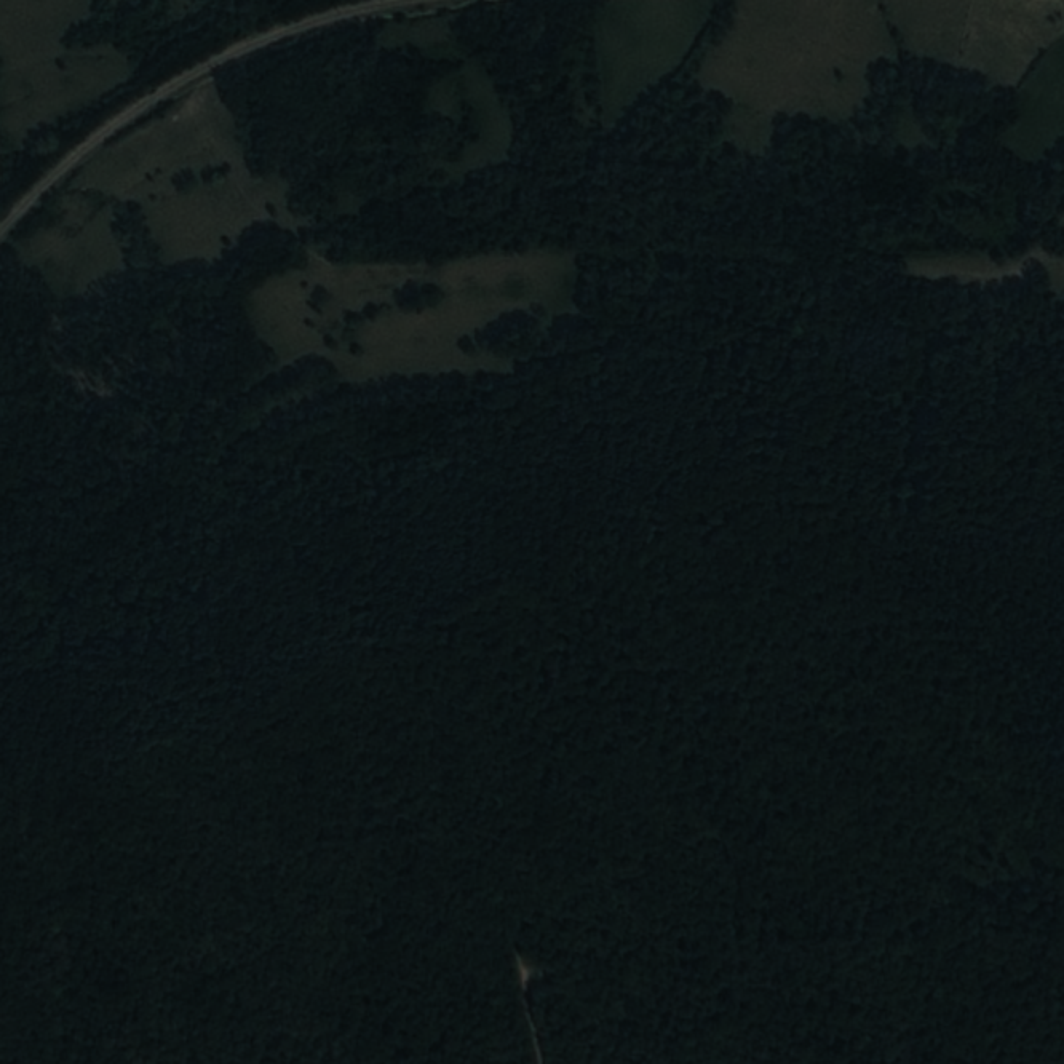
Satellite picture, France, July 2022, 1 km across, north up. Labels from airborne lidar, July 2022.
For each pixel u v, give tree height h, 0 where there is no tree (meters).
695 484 27
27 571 31
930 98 21
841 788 20
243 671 28
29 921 20
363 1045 23
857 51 0
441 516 20
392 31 0
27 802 20
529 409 23
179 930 17
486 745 18
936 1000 18
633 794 19
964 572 24
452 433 23
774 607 24
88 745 26
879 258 19
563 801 22
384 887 18
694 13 0
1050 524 18
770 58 0
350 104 17
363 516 24
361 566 23
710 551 24
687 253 22
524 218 11
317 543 32
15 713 23
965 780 16
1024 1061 19
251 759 19
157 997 19
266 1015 16
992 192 18
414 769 18
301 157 20
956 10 0
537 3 19
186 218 0
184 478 29
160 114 9
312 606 27
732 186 22
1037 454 24
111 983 25
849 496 23
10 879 21
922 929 25
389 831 24
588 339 22
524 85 22
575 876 17
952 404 31
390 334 0
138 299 28
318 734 20
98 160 0
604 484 24
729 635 22
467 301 0
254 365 24
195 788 20
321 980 19
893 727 20
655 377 34
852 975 16
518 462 26
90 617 32
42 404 13
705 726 22
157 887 20
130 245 9
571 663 29
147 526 28
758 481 26
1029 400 28
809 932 25
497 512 27
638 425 33
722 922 24
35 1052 17
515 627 22
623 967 24
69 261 0
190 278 23
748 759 20
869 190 16
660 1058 17
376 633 20
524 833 17
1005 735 19
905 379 22
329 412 26
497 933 20
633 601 21
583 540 17
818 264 26
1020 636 19
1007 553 20
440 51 0
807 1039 23
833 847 17
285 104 20
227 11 17
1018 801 17
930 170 24
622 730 22
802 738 18
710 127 27
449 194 19
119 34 10
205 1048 22
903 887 19
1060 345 22
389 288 0
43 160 16
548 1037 17
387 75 23
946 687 21
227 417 23
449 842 17
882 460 32
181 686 31
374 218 13
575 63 8
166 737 14
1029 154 0
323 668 17
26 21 0
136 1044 23
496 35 10
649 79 0
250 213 0
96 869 19
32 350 26
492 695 17
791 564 25
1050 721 17
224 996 20
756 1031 22
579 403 23
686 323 26
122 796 18
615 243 24
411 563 20
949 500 24
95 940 21
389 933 20
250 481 28
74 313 21
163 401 28
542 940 18
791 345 23
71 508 30
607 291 24
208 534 32
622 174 27
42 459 23
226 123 0
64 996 17
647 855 21
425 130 18
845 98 0
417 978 20
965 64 0
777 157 23
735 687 16
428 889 16
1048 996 22
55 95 0
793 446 30
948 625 23
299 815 18
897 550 21
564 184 9
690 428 31
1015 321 20
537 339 21
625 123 11
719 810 24
